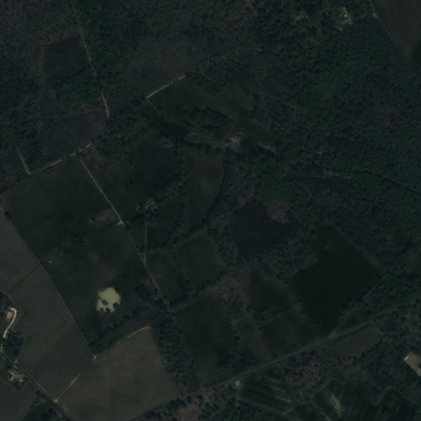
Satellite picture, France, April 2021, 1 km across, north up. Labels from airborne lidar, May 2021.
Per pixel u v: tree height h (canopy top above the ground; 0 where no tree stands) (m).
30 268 0
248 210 8
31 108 22
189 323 0
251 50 13
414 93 16
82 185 0
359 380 12
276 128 18
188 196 14
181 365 13
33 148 6
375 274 0
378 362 17
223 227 14
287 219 8
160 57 15
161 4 12
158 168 0
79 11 20
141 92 11
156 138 0
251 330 0
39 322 0
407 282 16
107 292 0
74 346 0
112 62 13
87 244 0
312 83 10
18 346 7
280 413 0
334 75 10
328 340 0
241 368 0
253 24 19
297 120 8
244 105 0
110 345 10
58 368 0
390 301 13
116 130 9
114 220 0
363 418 0
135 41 22
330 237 0
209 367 0
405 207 15
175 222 0
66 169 0
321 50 14
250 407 9
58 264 0
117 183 0
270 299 0
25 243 0
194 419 0
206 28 14
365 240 19
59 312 0
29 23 16
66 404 0
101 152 15
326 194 13
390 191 20
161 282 0
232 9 15
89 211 0
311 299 0
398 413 0
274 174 20
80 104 15
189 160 0
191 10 14
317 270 0
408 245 0
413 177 13
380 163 11
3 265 0
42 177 0
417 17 0
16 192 0
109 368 0
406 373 20
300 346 0
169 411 0
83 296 0
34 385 0
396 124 13
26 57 12
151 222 14
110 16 27
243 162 20
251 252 7
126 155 11
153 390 0
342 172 16
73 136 7
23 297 0
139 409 0
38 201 0
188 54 12
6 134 8
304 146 11
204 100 0
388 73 16
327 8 14
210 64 13
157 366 0
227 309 7
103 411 0
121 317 0
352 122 11
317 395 0
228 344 0
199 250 0
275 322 0
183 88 0
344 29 14
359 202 14
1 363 0
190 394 7
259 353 0
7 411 0
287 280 11
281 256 13
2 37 8
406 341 14
